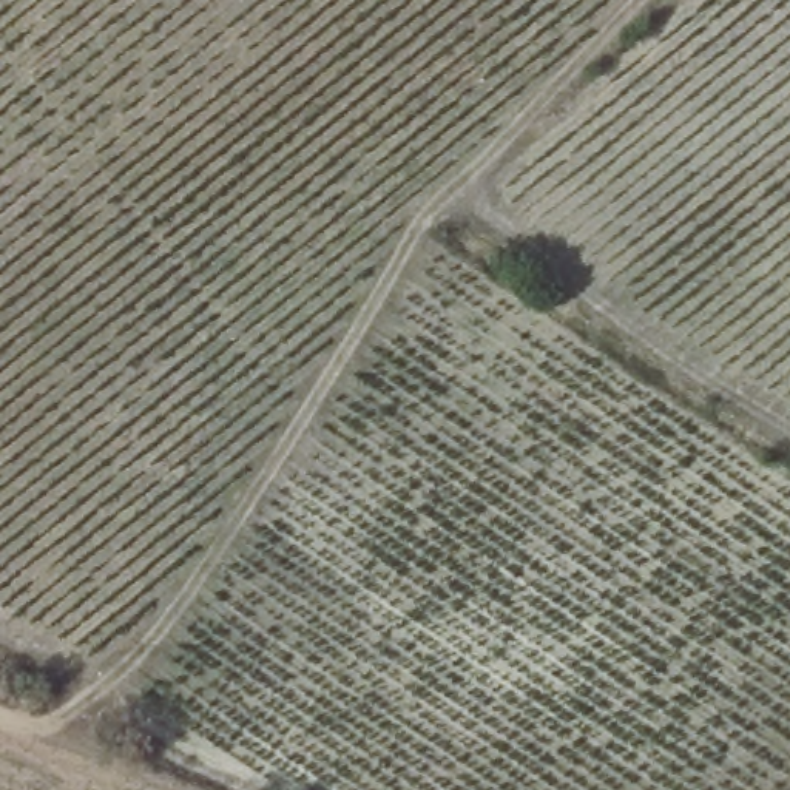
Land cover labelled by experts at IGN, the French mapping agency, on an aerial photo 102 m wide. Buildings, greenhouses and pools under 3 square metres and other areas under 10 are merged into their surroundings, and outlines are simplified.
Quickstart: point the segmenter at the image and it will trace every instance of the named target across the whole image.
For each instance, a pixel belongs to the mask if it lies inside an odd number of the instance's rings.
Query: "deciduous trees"
[[[565,306],[562,293],[546,281],[540,265],[534,265],[528,256],[512,256],[506,247],[500,247],[488,259],[484,272],[500,287],[509,287],[528,309],[549,312],[555,306]]]

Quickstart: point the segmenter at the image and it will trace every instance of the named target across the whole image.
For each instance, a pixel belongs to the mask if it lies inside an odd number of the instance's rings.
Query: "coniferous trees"
[[[127,765],[145,762],[151,768],[154,762],[160,762],[167,756],[167,747],[188,734],[188,716],[179,707],[170,707],[167,697],[154,694],[151,688],[130,697],[127,707],[130,719],[123,719],[117,728],[96,731],[99,747],[105,747],[117,762]]]

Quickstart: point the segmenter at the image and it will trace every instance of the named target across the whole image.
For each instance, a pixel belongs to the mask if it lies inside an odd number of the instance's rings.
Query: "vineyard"
[[[179,707],[188,716],[188,734],[167,747],[167,756],[160,762],[154,762],[151,768],[145,762],[127,765],[117,762],[105,747],[99,747],[96,731],[117,728],[123,719],[130,719],[127,707],[114,707],[108,697],[102,697],[96,704],[86,704],[86,710],[80,710],[74,722],[52,734],[22,738],[0,728],[0,790],[790,790],[790,0],[654,0],[651,9],[642,15],[648,19],[648,40],[636,43],[599,80],[593,80],[583,71],[568,89],[562,89],[552,99],[549,108],[559,120],[540,139],[525,130],[506,148],[506,154],[478,179],[478,185],[472,185],[472,191],[454,207],[451,219],[481,216],[506,238],[512,238],[506,247],[512,256],[528,256],[534,265],[540,265],[546,281],[562,293],[565,306],[555,306],[549,312],[528,309],[509,287],[500,287],[484,272],[454,256],[444,244],[438,244],[429,235],[420,241],[414,259],[404,265],[395,290],[389,293],[386,306],[364,333],[352,358],[358,373],[339,373],[315,423],[309,426],[296,451],[287,457],[284,472],[290,475],[296,491],[290,494],[287,488],[272,484],[268,497],[272,509],[278,509],[278,522],[253,525],[253,531],[259,534],[253,555],[244,562],[228,562],[241,574],[241,580],[235,580],[231,593],[219,589],[216,599],[235,605],[235,614],[222,620],[194,617],[188,623],[188,642],[179,642],[179,651],[170,660],[182,667],[182,673],[170,679],[154,679],[151,688],[154,694],[167,697],[170,707]],[[617,327],[623,352],[660,367],[667,380],[676,389],[682,389],[691,401],[704,404],[710,395],[731,395],[744,410],[762,417],[784,441],[765,447],[762,460],[753,457],[710,420],[682,407],[667,392],[626,373],[593,343],[583,343],[574,330],[565,327],[568,318],[577,318],[586,327],[602,330]]]
[[[555,71],[568,56],[574,56],[586,40],[596,37],[596,15],[608,9],[614,0],[0,0],[0,642],[37,660],[71,654],[74,645],[93,648],[93,654],[105,651],[111,642],[133,633],[142,620],[148,620],[157,611],[157,602],[145,602],[145,593],[154,593],[160,583],[167,583],[185,565],[191,565],[191,559],[204,552],[201,543],[191,546],[188,540],[201,534],[204,525],[219,522],[231,509],[231,494],[241,491],[256,469],[262,469],[272,460],[275,438],[290,426],[299,401],[309,395],[324,367],[327,352],[346,336],[346,327],[352,315],[361,309],[361,302],[367,302],[373,287],[370,278],[383,272],[383,265],[392,256],[392,244],[407,228],[407,204],[426,194],[451,170],[463,167],[478,148],[484,148],[488,139],[500,133],[497,117],[531,86],[537,86],[549,71]]]

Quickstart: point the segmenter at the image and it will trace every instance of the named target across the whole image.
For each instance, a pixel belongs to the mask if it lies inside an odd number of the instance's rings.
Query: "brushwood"
[[[611,49],[589,62],[583,71],[593,80],[599,80],[636,43],[648,40],[648,19],[642,15],[633,19],[611,43]]]
[[[56,710],[80,685],[83,676],[83,663],[71,654],[37,660],[0,642],[0,707],[22,710],[31,716],[46,716],[49,710]]]

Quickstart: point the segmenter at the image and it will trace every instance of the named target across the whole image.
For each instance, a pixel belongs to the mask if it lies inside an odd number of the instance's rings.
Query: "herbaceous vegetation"
[[[710,395],[704,404],[691,401],[682,389],[676,389],[667,380],[660,367],[623,352],[617,327],[602,330],[586,327],[577,318],[568,318],[565,327],[574,330],[583,343],[593,343],[626,373],[667,392],[682,407],[710,420],[753,457],[762,460],[765,447],[784,441],[762,417],[744,410],[731,395]]]
[[[429,235],[438,244],[444,244],[454,256],[484,272],[488,259],[500,247],[506,247],[512,238],[506,238],[481,216],[451,219],[432,225]]]

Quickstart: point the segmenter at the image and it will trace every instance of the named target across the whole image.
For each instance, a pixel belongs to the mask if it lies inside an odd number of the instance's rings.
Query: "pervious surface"
[[[296,451],[309,426],[315,423],[339,373],[358,373],[352,358],[364,333],[386,306],[389,293],[395,290],[404,265],[414,259],[420,241],[429,235],[432,225],[451,219],[454,207],[472,191],[472,185],[478,185],[478,179],[506,154],[506,148],[525,130],[540,139],[559,120],[549,108],[552,99],[562,89],[568,89],[583,71],[589,62],[611,49],[611,43],[633,19],[642,15],[651,9],[654,0],[614,0],[608,9],[596,15],[596,37],[586,40],[574,56],[568,56],[555,71],[549,71],[537,86],[531,86],[497,117],[500,133],[488,139],[484,148],[478,148],[463,167],[451,170],[426,194],[407,204],[407,228],[392,244],[392,256],[383,265],[383,272],[370,278],[373,287],[367,302],[361,302],[361,309],[352,315],[346,327],[346,336],[327,352],[324,367],[309,395],[299,401],[290,426],[275,438],[272,460],[262,469],[256,469],[241,491],[231,494],[231,509],[219,522],[204,525],[201,534],[188,540],[191,546],[201,543],[204,552],[191,559],[191,565],[185,565],[167,583],[160,583],[154,593],[145,593],[145,602],[157,602],[157,611],[148,620],[142,620],[133,633],[111,642],[105,651],[93,654],[93,648],[74,645],[71,654],[83,663],[83,676],[80,685],[56,710],[49,710],[46,716],[31,716],[22,710],[0,707],[0,728],[22,738],[52,734],[74,722],[80,710],[86,710],[86,704],[96,704],[102,697],[108,697],[114,707],[127,707],[130,697],[151,688],[154,679],[170,679],[182,673],[182,667],[170,660],[179,651],[179,642],[188,642],[188,623],[194,617],[222,620],[235,614],[235,605],[216,599],[219,589],[231,593],[235,580],[241,580],[241,574],[228,562],[244,562],[253,555],[259,534],[253,531],[253,525],[278,522],[278,509],[272,509],[268,497],[272,484],[287,488],[290,494],[296,491],[290,475],[284,472],[287,457]]]

